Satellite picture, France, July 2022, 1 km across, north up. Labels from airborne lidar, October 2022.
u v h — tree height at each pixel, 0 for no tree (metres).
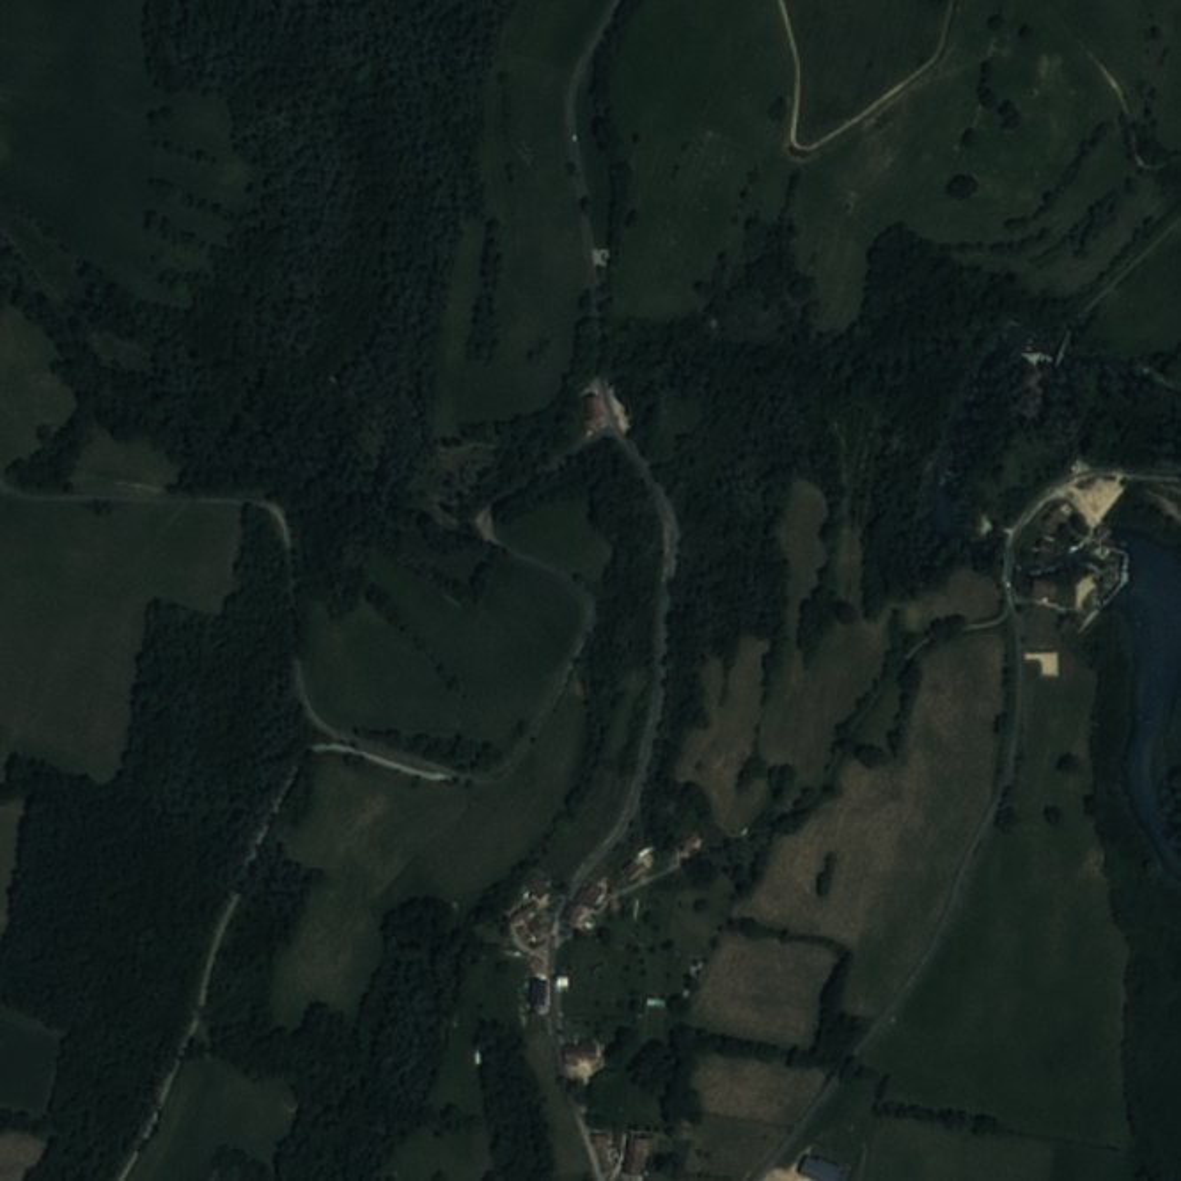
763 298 6
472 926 6
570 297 0
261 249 13
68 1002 13
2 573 0
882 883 0
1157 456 7
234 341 9
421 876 0
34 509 0
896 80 0
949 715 0
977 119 0
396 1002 15
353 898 0
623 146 19
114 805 16
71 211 0
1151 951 0
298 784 14
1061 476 11
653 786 10
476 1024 0
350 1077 14
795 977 0
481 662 0
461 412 0
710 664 17
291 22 16
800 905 0
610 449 17
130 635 0
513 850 0
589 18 0
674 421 0
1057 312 14
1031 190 0
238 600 14
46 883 19
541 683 0
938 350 24
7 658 0
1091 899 0
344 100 27
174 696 13
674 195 0
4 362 0
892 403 14
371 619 0
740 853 13
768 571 15
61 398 0
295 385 11
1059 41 0
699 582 11
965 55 0
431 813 0
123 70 0
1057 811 8
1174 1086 0
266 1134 0
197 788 24
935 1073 0
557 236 0
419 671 0
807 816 15
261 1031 15
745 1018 0
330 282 12
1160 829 0
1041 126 0
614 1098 0
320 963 0
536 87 0
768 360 30
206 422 24
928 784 0
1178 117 0
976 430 22
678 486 17
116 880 14
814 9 0
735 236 0
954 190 14
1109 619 0
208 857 16
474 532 21
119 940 19
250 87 19
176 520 0
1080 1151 0
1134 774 0
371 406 10
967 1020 0
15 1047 0
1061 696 0
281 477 18
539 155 0
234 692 13
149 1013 13
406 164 17
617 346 19
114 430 13
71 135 0
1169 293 0
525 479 18
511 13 15
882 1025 0
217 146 0
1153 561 0
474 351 8
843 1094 0
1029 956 0
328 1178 13
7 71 0
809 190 0
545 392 0
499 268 13
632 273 0
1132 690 0
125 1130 17
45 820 19
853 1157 0
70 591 0
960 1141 0
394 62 23
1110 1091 0
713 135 0
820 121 0
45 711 0
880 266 21
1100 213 15
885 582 8
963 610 0
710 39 0
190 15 17
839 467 17
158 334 11
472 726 0
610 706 6
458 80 22
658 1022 0
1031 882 0
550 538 0
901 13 0
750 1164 0
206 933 13
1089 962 0
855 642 0
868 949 0
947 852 0
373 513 29
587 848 0
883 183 0
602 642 9
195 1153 0
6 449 0
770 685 12
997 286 18
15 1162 0
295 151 18
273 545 17
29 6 0
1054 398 25
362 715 0
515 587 0
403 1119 14
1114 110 0
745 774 10
